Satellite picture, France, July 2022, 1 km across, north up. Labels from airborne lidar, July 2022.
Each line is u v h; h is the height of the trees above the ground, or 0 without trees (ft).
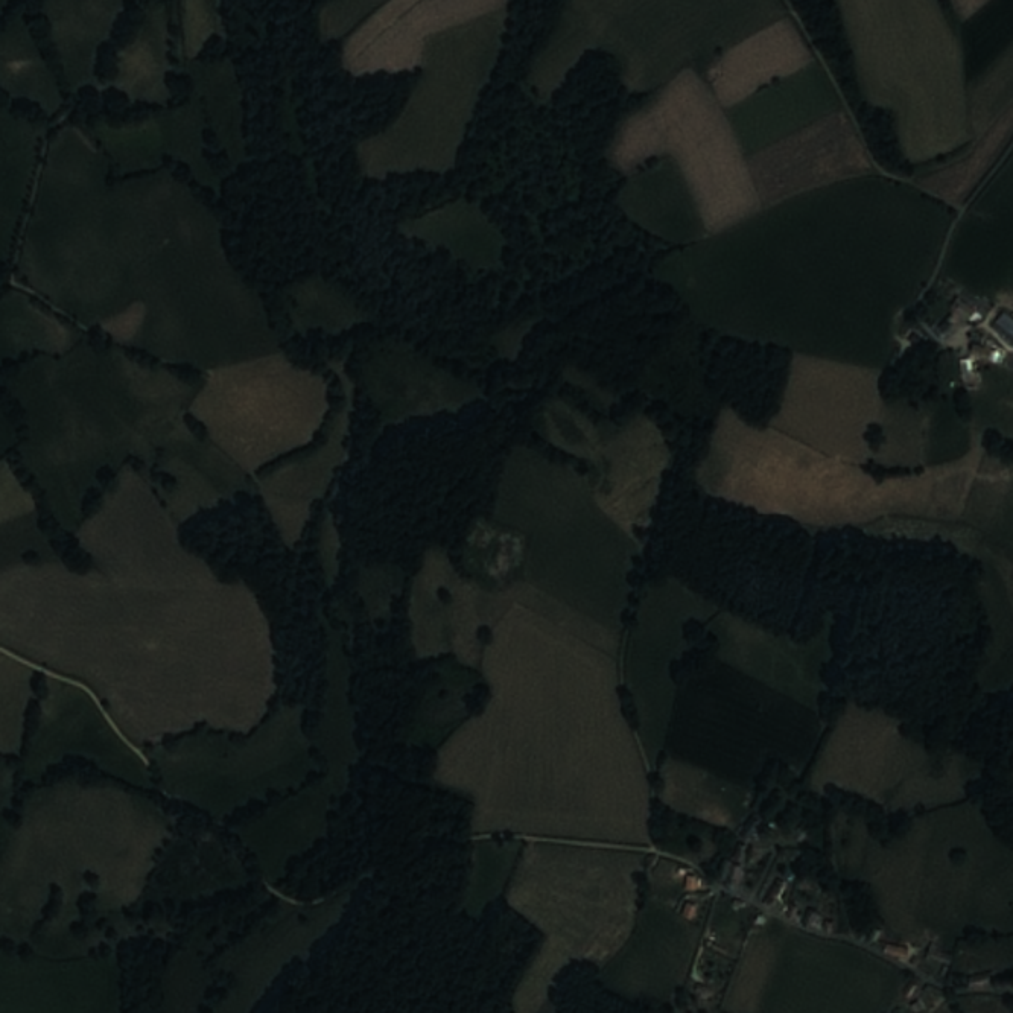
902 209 0
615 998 48
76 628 0
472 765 0
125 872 0
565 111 21
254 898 75
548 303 56
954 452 0
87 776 67
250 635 0
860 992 0
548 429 0
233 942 52
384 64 0
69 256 0
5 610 0
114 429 0
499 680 0
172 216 0
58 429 0
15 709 0
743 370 39
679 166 0
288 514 0
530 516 0
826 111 0
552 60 0
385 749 74
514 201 44
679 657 0
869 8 0
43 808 0
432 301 51
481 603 0
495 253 0
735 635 0
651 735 0
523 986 0
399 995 65
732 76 0
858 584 107
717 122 0
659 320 82
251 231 80
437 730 0
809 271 0
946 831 0
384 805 96
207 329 0
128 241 0
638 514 0
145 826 0
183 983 0
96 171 0
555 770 0
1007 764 71
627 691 42
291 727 0
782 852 33
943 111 0
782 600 88
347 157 63
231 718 0
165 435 0
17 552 0
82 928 28
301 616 106
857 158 0
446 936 56
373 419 86
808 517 0
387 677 53
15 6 45
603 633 0
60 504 0
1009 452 78
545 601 0
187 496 0
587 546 0
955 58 0
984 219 0
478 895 0
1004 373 0
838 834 0
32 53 0
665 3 0
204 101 30
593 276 55
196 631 0
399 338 46
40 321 0
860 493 0
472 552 0
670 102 0
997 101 0
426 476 91
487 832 0
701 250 0
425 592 0
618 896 0
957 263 0
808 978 0
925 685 58
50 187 0
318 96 73
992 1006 0
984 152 0
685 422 45
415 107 0
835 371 0
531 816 0
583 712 0
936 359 22
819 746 20
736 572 73
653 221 0
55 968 0
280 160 66
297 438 0
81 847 0
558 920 0
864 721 0
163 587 0
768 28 0
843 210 0
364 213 44
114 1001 0
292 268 45
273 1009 78
